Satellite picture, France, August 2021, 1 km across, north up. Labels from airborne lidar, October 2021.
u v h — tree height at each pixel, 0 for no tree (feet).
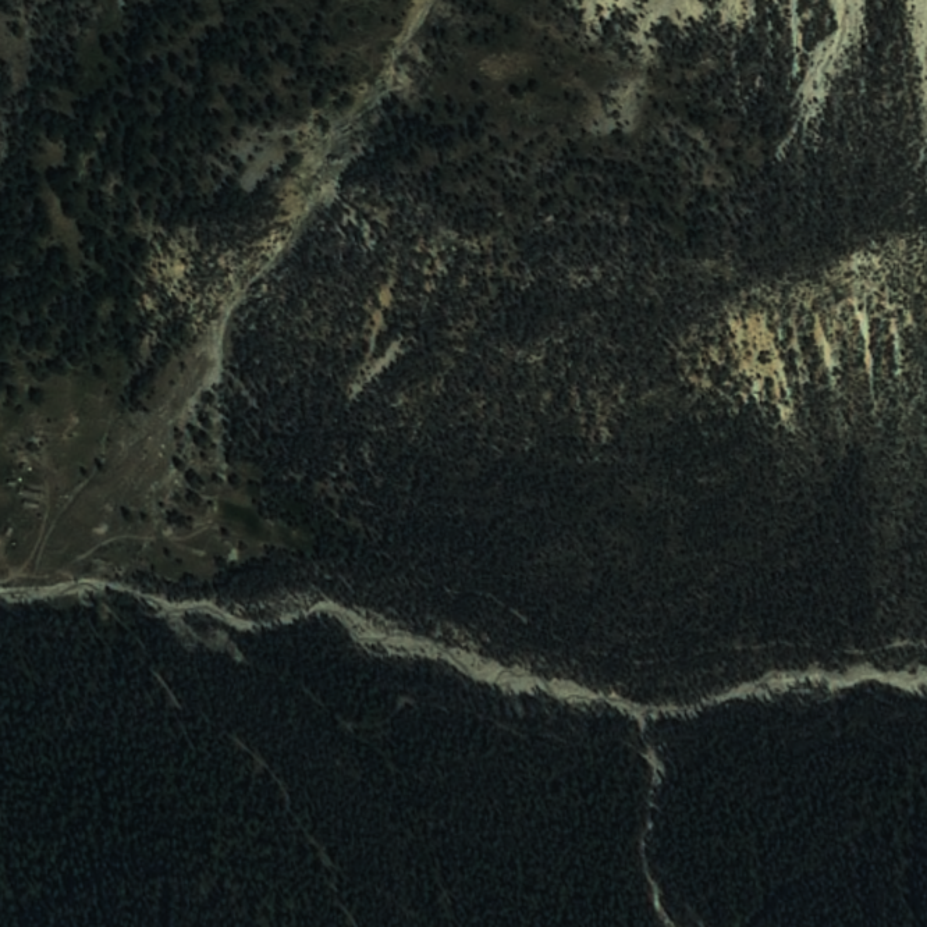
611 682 22
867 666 0
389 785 41
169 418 0
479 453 31
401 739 22
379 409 30
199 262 29
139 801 44
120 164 54
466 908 27
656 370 39
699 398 20
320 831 39
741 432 24
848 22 0
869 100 21
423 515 36
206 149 66
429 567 45
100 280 83
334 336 33
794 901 51
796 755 22
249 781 28
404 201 31
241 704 31
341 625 30
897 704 40
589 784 25
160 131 71
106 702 45
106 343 62
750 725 25
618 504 25
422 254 22
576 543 27
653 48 30
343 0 0
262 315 21
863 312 0
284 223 25
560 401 38
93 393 0
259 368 31
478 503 26
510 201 32
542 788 30
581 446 43
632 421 38
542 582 38
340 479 36
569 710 35
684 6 0
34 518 0
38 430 0
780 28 30
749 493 41
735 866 40
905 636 22
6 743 63
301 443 52
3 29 0
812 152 30
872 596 35
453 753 48
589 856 43
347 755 61
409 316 33
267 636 27
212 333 0
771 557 21
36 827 34
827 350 0
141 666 35
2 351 63
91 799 44
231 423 38
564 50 0
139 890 57
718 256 22
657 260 40
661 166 32
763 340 0
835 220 45
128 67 74
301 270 33
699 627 26
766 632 23
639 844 39
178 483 0
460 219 26
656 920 40
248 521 0
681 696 40
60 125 86
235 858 30
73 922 51
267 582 41
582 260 46
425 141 44
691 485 30
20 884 53
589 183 52
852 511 41
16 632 45
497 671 0
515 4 0
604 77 0
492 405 37
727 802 52
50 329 56
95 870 28
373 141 18
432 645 0
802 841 45
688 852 40
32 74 21
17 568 0
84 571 0
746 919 61
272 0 0
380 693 24
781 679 0
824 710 29
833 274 30
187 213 56
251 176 0
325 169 0
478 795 25
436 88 0
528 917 50
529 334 31
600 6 24
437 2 0
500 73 0
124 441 0
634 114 0
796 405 27
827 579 49
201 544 0
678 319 35
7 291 75
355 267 28
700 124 31
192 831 27
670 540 25
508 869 49
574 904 19
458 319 39
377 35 0
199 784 54
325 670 40
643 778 59
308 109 0
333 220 24
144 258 64
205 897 56
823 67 0
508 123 0
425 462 44
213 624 26
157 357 47
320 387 33
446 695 31
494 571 25
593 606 37
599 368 35
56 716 51
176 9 62
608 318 23
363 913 31
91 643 29
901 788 56
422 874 70
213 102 83
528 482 49
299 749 28
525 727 43
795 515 38
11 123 46
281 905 53
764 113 40
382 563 72
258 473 0
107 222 37
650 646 19
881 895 47
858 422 18
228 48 70
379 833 24
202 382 0
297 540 0
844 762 47
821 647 27
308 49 51
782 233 38
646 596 44
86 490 0
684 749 20
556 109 0
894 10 30
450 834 30
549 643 31
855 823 52
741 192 39
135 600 30
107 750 38
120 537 0
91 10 32
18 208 59
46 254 47
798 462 25
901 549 23
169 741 58
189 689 27
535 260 43
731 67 46
